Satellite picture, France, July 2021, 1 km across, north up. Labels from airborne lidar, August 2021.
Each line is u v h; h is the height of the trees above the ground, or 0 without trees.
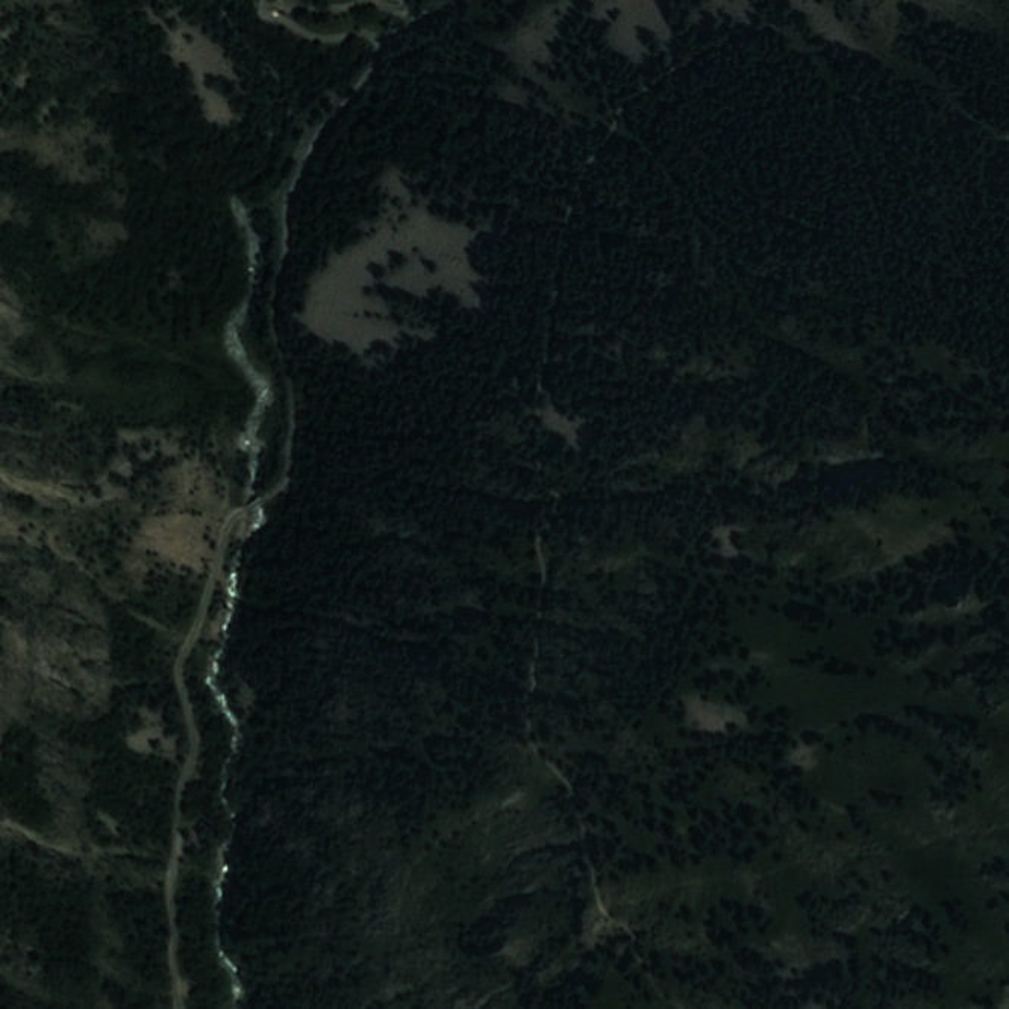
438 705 7
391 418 7
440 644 9
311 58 9
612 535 16
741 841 21
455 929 7
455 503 9
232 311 11
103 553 9
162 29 16
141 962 7
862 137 17
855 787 0
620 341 15
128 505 0
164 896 7
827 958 0
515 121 19
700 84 24
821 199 22
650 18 0
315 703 11
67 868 8
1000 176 22
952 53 8
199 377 9
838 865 0
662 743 12
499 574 7
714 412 22
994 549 0
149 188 20
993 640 9
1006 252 14
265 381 0
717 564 22
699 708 0
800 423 11
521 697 20
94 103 9
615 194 7
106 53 6
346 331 0
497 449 10
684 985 7
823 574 7
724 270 17
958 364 11
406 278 0
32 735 6
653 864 20
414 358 16
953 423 13
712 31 24
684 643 26
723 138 21
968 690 0
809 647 0
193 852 22
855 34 0
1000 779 0
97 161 15
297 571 25
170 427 10
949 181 7
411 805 16
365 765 16
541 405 24
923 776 0
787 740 18
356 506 20
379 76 6
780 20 25
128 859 10
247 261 13
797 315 8
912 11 19
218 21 36
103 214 9
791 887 0
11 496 7
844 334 10
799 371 27
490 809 0
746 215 12
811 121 12
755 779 0
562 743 11
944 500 0
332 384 18
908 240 19
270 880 15
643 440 6
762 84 10
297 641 20
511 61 18
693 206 10
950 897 0
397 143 19
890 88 18
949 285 16
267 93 19
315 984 8
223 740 13
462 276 0
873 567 0
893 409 7
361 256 0
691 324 11
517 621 11
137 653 9
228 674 9
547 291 22
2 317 0
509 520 9
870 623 0
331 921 6
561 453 27
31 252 13
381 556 9
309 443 23
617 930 7
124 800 13
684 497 26
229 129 8
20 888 13
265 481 10
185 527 0
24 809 7
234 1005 0
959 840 0
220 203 8
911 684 8
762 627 0
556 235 13
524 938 0
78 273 8
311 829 13
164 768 9
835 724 0
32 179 17
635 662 23
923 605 12
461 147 12
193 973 13
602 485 10
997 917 0
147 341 5
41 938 8
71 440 8
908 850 0
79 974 8
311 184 12
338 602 24
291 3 0
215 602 9
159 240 18
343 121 14
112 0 14
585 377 27
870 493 11
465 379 9
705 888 0
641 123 14
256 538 12
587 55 22
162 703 8
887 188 21
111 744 9
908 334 12
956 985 0
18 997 7
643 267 10
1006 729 0
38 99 14
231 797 11
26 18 9
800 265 14
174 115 13
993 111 9
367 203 13
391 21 14
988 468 0
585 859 7
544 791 0
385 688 10
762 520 18
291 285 16
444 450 12
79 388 0
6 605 11
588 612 10
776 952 0
